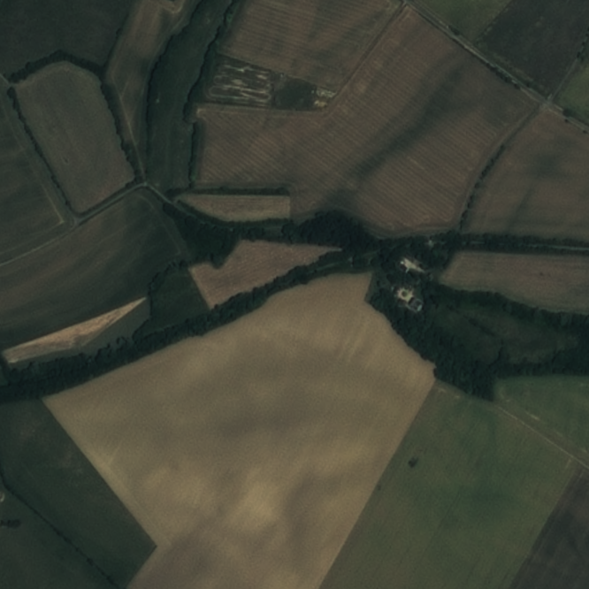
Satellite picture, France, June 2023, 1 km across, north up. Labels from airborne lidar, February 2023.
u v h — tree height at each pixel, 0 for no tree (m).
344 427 0
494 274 0
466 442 0
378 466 0
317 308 0
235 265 0
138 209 0
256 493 0
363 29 0
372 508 0
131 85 0
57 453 0
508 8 0
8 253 0
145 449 0
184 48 0
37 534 0
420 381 0
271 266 0
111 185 0
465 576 0
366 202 0
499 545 0
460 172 0
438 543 0
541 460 0
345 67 0
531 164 0
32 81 0
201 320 9
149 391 0
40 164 0
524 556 0
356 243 27
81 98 0
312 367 0
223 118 0
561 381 0
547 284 0
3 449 0
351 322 0
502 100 0
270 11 0
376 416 0
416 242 9
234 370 0
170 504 0
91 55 0
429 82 0
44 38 0
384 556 0
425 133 0
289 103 0
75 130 0
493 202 0
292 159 0
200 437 0
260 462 0
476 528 0
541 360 0
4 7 0
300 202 0
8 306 0
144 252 0
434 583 0
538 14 0
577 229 0
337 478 0
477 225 0
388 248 6
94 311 0
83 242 0
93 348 0
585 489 0
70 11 0
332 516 0
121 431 0
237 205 0
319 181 0
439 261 12
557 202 0
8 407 0
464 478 0
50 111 0
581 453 0
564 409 0
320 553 0
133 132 0
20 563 0
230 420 0
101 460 0
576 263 0
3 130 0
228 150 0
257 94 0
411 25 0
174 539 0
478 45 0
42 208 0
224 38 10
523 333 0
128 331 0
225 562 0
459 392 0
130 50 0
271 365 0
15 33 0
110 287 0
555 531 0
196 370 0
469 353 12
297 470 0
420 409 0
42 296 0
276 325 0
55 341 0
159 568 0
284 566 0
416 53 0
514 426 0
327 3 0
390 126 0
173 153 0
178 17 0
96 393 0
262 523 0
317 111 0
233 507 0
